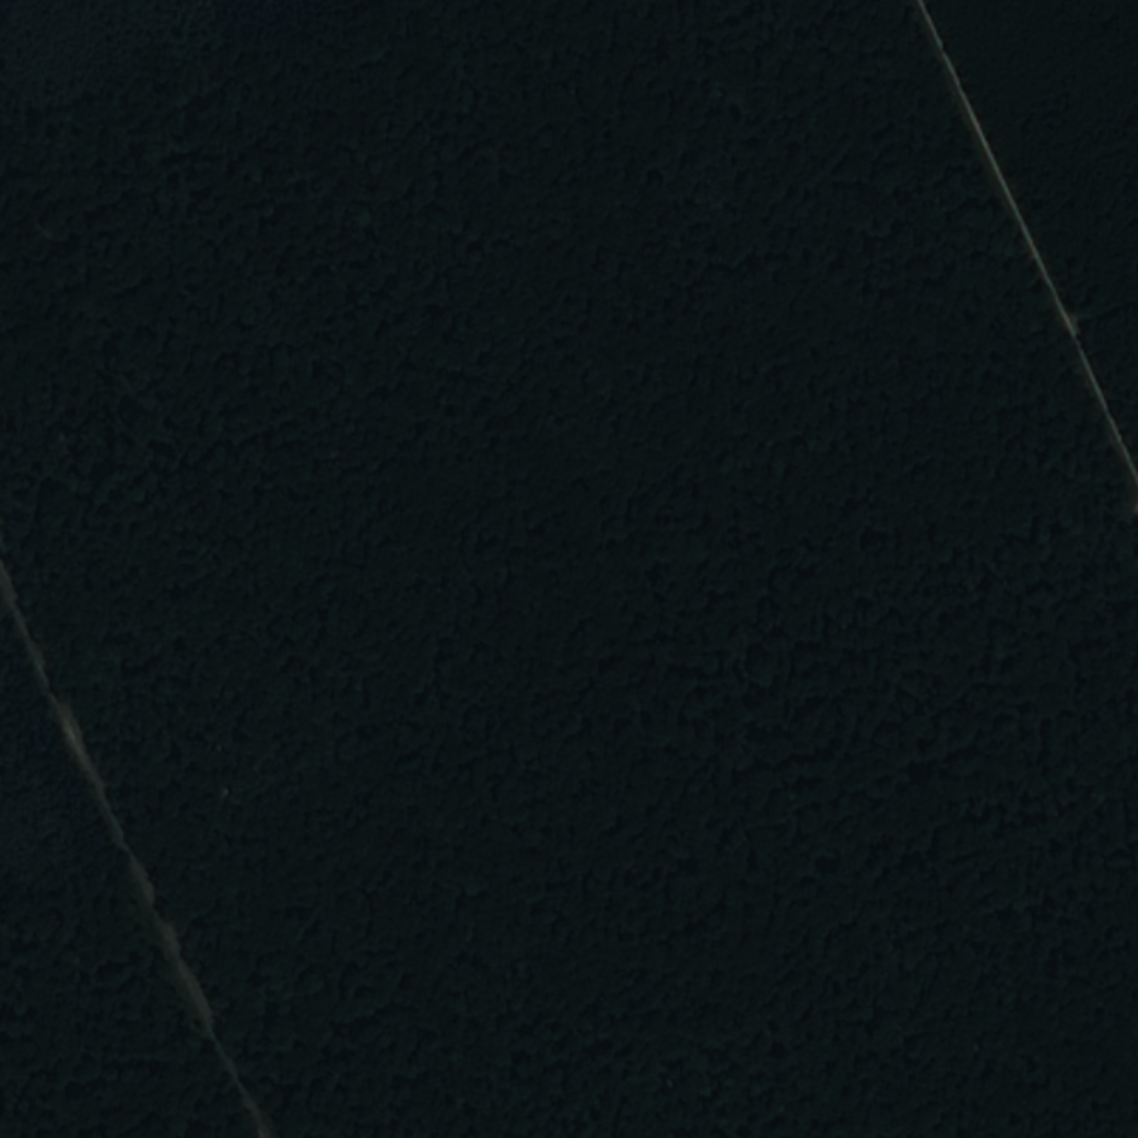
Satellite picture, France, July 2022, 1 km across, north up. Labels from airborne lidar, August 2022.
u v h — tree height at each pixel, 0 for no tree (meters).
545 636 30
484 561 29
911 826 29
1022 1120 23
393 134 25
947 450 28
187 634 24
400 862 29
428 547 28
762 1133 23
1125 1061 24
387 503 26
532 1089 23
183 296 25
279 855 24
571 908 26
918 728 23
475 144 24
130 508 27
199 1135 28
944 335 29
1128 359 22
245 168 22
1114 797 29
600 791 26
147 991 26
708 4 28
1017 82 14
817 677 25
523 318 25
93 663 26
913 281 24
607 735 26
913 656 29
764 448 25
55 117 23
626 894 26
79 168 25
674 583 30
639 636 30
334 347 20
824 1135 26
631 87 26
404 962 24
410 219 28
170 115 25
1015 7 15
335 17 21
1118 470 27
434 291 26
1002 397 23
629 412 28
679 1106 25
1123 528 25
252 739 27
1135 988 28
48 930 25
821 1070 24
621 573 29
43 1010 26
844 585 24
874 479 27
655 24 27
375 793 25
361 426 23
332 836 25
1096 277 15
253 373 23
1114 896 30
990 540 27
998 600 26
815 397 27
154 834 24
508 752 25
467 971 29
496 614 27
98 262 25
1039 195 12
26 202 24
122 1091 26
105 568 25
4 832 22
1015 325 26
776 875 26
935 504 27
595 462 25
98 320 27
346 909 26
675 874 25
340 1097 24
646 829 25
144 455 26
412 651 27
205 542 23
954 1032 26
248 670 24
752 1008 26
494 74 27
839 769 27
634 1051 25
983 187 27
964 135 19
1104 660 28
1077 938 28
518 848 25
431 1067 25
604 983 26
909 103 25
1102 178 15
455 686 26
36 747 18
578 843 25
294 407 25
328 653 22
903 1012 26
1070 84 16
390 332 25
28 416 27
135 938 25
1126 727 29
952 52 12
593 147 30
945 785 26
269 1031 25
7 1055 26
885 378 25
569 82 26
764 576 10
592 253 25
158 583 25
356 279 26
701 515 22
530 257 25
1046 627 27
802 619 28
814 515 27
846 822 25
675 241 23
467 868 28
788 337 25
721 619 28
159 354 26
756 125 23
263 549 29
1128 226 14
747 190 25
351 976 28
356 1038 25
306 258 27
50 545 28
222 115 25
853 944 26
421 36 30
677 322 27
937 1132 21
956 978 24
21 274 25
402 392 23
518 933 26
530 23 26
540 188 27
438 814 29
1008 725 25
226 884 24
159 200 22
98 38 20
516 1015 25
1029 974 24
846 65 24
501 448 27
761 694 29
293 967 26
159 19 26
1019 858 24
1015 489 27
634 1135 23
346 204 24
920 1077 26
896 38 27
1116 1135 24
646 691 27
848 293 29
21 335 26
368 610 23
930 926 27
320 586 27
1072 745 22
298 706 27
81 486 27
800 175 25
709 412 27
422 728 32
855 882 29
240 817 25
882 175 27
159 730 24
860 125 24
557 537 29
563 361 26
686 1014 22
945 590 26
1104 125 12
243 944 24
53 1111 26
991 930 26
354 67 23
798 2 28
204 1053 23
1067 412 22
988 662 24
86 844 19
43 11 24
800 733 27
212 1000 22
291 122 26
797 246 27
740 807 26
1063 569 27
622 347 24
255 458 24
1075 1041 26
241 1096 21
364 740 26
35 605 22
